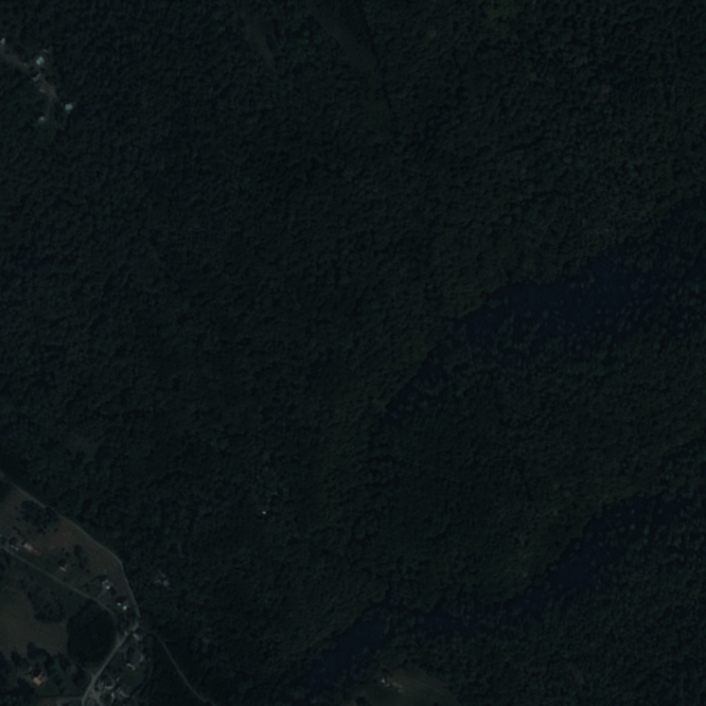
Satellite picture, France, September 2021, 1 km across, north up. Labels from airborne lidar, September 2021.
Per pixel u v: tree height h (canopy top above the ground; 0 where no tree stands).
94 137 21
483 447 12
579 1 22
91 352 22
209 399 25
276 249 16
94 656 10
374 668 15
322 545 20
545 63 33
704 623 30
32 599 8
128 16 23
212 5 19
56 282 23
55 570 0
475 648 22
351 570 21
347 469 19
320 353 21
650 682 23
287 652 19
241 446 27
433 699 0
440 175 28
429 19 21
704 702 27
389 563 32
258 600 25
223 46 20
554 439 28
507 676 31
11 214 27
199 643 12
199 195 21
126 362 25
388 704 0
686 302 20
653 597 18
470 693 26
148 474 25
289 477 24
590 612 26
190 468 30
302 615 22
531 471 21
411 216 23
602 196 23
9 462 9
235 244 28
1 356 19
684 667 19
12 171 19
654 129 17
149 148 15
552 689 20
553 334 26
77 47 20
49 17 30
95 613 9
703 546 23
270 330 17
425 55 25
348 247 10
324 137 26
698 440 32
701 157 16
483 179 27
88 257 20
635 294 29
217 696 12
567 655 24
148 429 21
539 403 28
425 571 29
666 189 34
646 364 26
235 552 27
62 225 23
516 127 22
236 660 20
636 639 22
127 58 24
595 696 27
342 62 21
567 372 26
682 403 16
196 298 21
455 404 22
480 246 34
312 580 20
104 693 0
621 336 19
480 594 31
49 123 0
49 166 19
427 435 26
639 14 22
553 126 32
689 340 27
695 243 35
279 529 25
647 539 23
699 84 24
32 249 18
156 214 18
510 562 18
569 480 26
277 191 21
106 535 27
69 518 12
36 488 28
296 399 27
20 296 23
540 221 24
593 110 23
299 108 15
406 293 11
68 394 17
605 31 20
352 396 25
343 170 16
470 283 21
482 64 20
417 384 30
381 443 24
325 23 0
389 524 25
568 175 22
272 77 18
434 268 25
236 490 27
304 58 20
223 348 22
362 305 29
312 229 24
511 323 28
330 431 19
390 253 21
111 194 28
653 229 26
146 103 20
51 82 7
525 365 28
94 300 13
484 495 28
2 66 6
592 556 20
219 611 12
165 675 11
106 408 23
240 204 30
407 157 26
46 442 12
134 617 8
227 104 26
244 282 24
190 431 23
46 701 0
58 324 28
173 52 24
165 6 22
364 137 20
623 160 13
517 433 29
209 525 28
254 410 28
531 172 31
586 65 12
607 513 8
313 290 26
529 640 19
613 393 22
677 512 28
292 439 28
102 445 19
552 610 18
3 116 28
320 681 26
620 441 23
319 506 19
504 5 18
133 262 31
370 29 25
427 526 29
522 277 30
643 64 23
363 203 16
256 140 23
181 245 17
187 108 25
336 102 24
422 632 21
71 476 24
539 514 14
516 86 14
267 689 21
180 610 19
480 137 25
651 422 18
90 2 31
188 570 22
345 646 22
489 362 28
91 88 18
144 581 23
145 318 20
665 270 32
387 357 28
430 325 19
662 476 34
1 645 0
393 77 21
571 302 27
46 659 13
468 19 24
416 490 28
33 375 5
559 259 20
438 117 17
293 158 26
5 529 0
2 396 17
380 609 28
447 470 29
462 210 27
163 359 21
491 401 8
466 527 27
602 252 21
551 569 32
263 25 0
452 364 31
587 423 28
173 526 26
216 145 13
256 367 23
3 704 26
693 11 25
